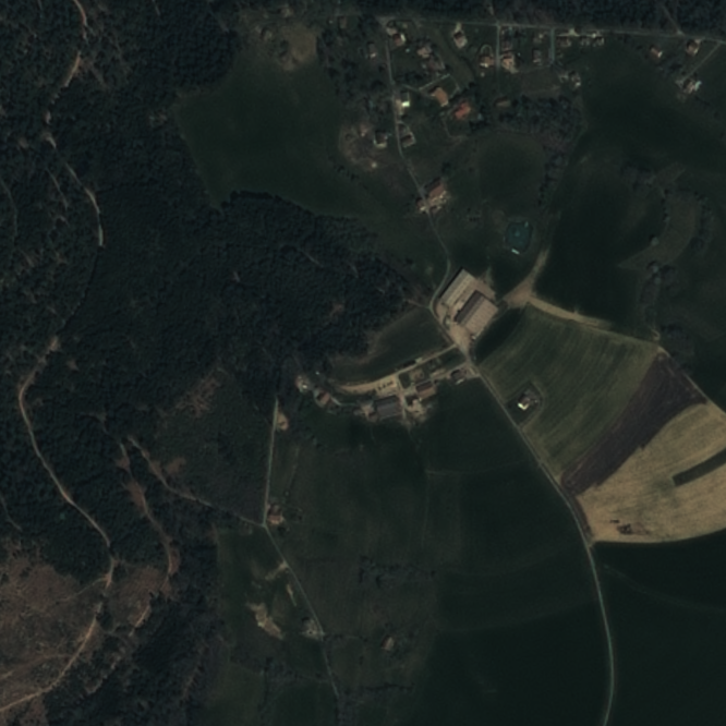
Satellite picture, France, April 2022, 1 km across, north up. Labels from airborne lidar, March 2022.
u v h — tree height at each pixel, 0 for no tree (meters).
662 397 0
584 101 0
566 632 0
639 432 0
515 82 0
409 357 0
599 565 0
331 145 0
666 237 0
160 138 13
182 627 13
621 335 0
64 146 11
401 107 0
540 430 0
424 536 0
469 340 0
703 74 0
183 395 10
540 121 16
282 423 0
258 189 0
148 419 19
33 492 35
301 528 0
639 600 0
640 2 25
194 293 14
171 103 17
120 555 17
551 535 0
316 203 0
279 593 0
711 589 0
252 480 9
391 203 0
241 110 0
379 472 0
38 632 0
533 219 0
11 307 33
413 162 0
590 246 0
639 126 0
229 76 14
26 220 13
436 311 0
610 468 0
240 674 0
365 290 18
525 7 29
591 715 0
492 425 0
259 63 0
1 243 17
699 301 0
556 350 0
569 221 0
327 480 0
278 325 25
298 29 0
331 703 0
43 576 0
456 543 0
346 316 7
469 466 0
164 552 18
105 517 11
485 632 0
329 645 16
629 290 0
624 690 0
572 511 0
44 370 18
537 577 0
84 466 15
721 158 0
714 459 0
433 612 0
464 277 0
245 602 0
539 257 0
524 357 0
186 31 21
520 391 0
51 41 21
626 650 0
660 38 0
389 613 0
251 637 0
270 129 0
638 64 0
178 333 19
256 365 11
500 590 0
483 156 0
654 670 0
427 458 0
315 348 18
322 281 17
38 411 10
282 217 19
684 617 0
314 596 0
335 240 15
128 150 25
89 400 12
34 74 21
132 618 0
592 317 0
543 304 0
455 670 0
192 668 30
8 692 0
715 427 0
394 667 0
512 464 0
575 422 0
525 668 0
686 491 0
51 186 16
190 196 15
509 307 0
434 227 0
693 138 0
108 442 18
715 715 0
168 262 16
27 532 11
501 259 0
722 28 18
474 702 0
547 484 0
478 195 0
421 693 0
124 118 15
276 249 18
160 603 15
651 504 0
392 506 0
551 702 0
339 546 0
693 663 0
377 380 0
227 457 8
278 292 18
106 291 17
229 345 13
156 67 19
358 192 0
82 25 11
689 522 0
